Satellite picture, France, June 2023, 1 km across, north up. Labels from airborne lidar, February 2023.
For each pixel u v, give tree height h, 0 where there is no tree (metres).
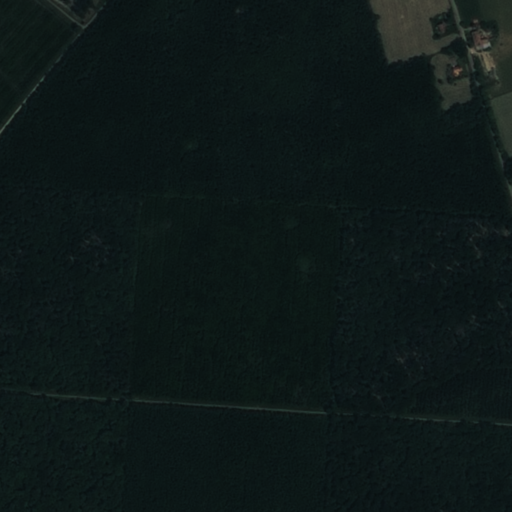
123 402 19
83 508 21
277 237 7
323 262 8
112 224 22
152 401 0
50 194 31
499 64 0
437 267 28
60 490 23
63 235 27
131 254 23
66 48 0
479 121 22
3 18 0
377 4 0
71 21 0
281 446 14
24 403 22
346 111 17
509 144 0
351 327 27
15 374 25
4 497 21
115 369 30
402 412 17
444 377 22
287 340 7
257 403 0
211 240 8
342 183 19
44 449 24
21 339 26
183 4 12
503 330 29
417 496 22
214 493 13
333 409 19
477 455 22
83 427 20
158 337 7
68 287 28
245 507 14
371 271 27
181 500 14
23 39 0
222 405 0
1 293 22
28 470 25
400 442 18
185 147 7
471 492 22
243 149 17
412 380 26
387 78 20
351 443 25
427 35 0
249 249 8
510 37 0
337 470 24
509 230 24
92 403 18
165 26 16
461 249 27
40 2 0
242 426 19
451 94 0
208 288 6
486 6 0
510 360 20
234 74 16
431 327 29
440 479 22
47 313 31
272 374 7
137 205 20
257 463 15
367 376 30
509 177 16
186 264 10
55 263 25
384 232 27
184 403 0
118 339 29
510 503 24
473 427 16
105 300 23
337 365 27
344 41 17
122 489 19
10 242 28
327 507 18
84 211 21
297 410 0
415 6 0
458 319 27
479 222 31
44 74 0
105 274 24
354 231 21
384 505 25
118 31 17
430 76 18
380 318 26
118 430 25
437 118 16
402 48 0
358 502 25
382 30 0
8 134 19
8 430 21
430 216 24
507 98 0
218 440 18
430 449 23
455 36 0
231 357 7
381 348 31
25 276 29
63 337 26
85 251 27
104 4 0
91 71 20
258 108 16
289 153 16
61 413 20
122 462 17
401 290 28
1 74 0
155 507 15
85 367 29
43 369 20
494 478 24
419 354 32
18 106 0
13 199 29
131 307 22
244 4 19
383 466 23
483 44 0
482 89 17
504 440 21
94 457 21
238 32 21
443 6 0
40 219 27
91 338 26
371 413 21
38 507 24
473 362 24
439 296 23
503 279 32
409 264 26
